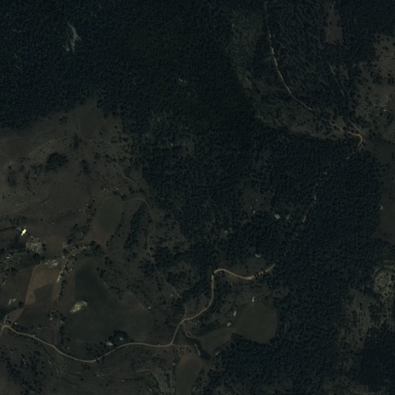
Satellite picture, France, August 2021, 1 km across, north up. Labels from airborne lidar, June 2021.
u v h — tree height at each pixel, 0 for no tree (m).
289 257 15
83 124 0
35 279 0
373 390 6
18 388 0
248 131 17
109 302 0
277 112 8
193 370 0
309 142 13
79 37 6
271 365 16
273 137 11
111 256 0
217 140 12
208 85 12
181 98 8
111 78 10
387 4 16
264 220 19
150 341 0
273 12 10
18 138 0
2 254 10
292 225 8
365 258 6
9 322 7
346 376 8
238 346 10
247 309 0
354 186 8
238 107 9
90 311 0
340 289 8
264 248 18
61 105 9
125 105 8
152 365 0
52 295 0
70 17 7
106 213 0
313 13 21
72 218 0
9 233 0
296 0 22
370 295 12
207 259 16
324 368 9
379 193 8
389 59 0
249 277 0
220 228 11
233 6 22
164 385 0
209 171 12
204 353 7
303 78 24
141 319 0
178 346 0
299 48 26
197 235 7
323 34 13
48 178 0
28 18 12
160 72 10
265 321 0
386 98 0
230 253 16
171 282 10
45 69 12
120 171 0
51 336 0
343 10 15
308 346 9
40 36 7
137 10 6
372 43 11
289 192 11
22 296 0
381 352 11
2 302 0
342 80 7
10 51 11
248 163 20
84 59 6
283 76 8
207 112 8
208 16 13
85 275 0
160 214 0
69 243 7
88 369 8
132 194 7
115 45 6
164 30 6
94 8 7
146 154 6
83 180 0
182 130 6
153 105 6
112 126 0
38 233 0
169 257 13
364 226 13
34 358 7
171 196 7
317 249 17
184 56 12
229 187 16
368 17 14
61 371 0
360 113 0
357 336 0
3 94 9
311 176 13
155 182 12
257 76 7
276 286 13
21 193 0
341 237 17
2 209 0
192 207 9
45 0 11
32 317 0
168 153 17
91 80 14
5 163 0
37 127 0
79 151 0
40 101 10
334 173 10
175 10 8
